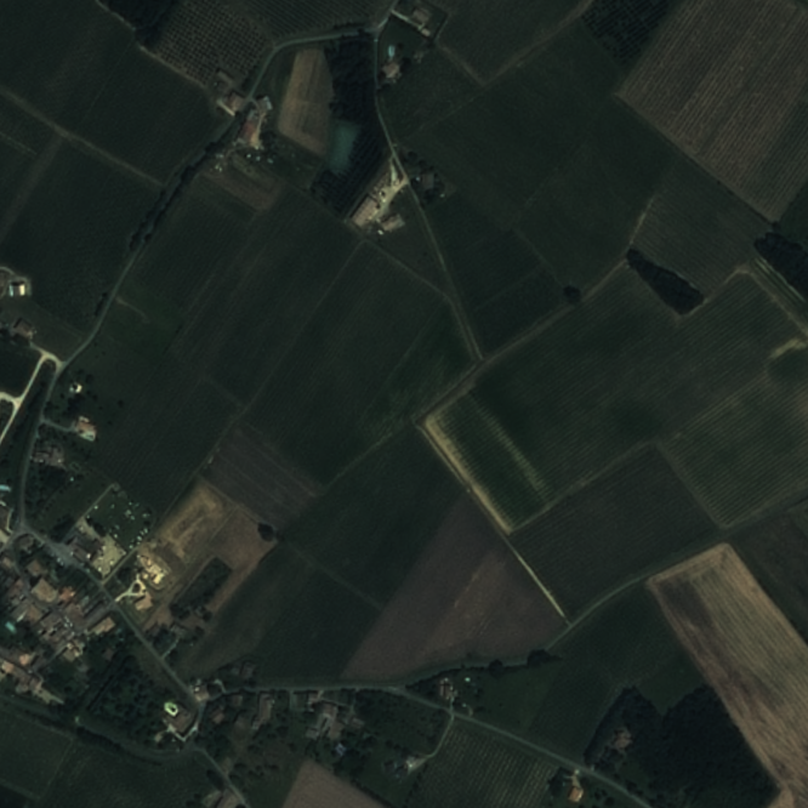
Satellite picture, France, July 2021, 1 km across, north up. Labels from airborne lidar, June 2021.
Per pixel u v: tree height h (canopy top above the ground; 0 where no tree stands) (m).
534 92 0
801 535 0
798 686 0
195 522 0
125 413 0
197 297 0
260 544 0
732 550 0
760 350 0
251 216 0
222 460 0
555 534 0
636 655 0
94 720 6
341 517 0
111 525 0
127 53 0
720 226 0
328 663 0
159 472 0
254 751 6
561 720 0
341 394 0
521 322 0
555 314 0
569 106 0
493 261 0
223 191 0
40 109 0
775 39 0
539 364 0
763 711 0
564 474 0
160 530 0
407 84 0
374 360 0
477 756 0
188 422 0
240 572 0
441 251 0
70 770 0
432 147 0
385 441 0
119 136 0
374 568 0
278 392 0
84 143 0
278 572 0
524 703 0
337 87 17
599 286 0
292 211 0
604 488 0
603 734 18
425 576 0
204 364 0
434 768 0
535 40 0
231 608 0
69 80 0
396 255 0
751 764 10
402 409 0
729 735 18
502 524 0
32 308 0
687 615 0
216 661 0
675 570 0
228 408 0
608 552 0
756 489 0
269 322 0
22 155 0
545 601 0
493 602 0
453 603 0
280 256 0
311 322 0
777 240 12
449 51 0
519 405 0
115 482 0
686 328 0
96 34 0
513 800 0
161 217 10
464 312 0
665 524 0
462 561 0
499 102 0
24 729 0
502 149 0
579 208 0
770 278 0
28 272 0
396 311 0
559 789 13
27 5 0
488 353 0
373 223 0
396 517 0
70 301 0
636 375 0
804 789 0
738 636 0
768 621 0
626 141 0
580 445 0
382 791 0
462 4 0
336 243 0
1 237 0
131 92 0
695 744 19
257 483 0
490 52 0
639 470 0
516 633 0
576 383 0
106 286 0
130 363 0
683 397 0
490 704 0
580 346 0
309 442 0
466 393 0
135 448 0
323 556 0
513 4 0
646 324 0
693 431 0
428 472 0
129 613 0
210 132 0
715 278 0
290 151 0
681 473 0
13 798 0
